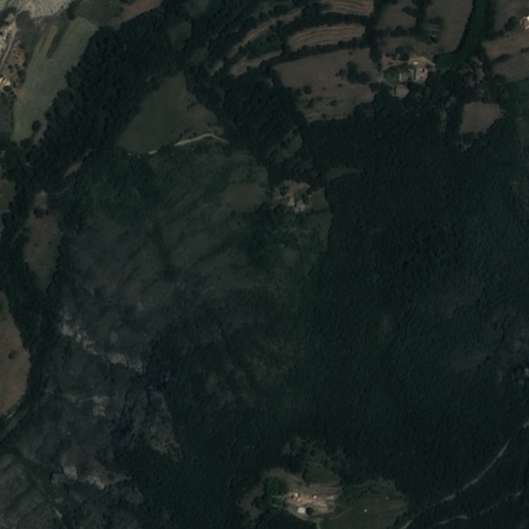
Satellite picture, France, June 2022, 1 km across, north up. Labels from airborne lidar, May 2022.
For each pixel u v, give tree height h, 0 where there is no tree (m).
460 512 5
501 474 14
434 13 0
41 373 7
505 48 0
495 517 12
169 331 6
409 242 7
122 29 12
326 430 8
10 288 9
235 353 15
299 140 0
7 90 7
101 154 12
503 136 13
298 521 9
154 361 7
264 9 6
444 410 13
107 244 0
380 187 16
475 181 16
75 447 0
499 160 13
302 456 14
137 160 8
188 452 8
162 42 16
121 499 7
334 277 14
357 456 14
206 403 8
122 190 7
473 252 6
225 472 9
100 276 0
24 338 9
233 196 0
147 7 0
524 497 10
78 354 0
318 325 15
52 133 25
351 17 19
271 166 10
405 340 10
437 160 17
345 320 11
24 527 0
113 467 7
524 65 0
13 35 0
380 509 0
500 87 9
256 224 8
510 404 7
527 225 6
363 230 14
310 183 15
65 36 0
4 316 0
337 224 12
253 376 8
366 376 15
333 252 13
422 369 12
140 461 10
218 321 6
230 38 18
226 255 0
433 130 17
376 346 12
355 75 12
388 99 17
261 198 0
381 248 12
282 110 11
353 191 15
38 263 0
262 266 6
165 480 11
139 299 0
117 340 0
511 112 8
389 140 19
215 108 11
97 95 31
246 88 17
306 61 0
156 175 7
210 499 12
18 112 0
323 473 0
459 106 16
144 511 7
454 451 14
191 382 6
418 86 17
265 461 9
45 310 8
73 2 7
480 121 0
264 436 11
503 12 0
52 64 0
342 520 0
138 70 16
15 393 0
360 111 19
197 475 12
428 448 8
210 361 12
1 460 0
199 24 20
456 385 10
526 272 6
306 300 8
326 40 0
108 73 30
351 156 16
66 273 8
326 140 12
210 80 10
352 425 14
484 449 14
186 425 7
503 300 13
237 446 13
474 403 12
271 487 17
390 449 15
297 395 7
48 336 16
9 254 14
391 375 17
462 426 14
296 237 6
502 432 13
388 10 0
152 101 0
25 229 10
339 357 13
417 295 11
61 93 12
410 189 16
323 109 0
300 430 16
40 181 10
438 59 22
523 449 13
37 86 0
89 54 26
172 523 5
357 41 19
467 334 11
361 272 12
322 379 7
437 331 11
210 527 11
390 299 15
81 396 0
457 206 17
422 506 9
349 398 14
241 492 7
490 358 14
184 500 8
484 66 11
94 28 0
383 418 10
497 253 9
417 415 16
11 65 6
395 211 15
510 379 13
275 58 13
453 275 16
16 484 0
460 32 0
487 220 7
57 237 0
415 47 0
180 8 18
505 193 10
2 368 0
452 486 12
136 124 0
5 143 16
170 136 0
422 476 13
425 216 16
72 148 16
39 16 0
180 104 0
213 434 12
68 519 9
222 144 7
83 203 12
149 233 8
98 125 23
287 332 7
